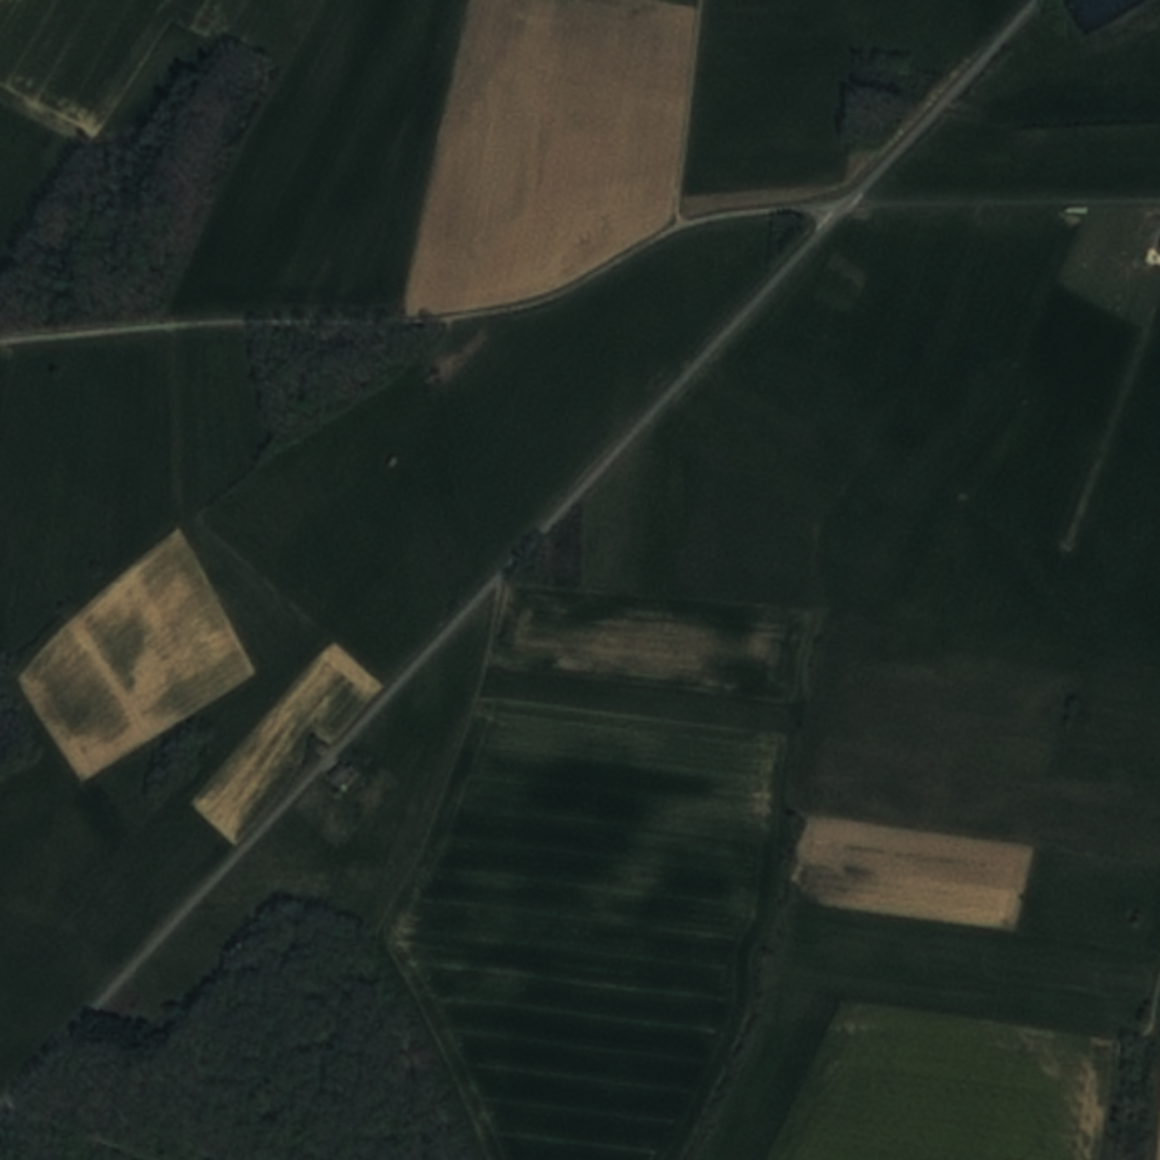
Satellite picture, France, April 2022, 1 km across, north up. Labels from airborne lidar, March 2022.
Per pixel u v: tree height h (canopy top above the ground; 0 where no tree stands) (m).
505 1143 0
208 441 0
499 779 0
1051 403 0
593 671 0
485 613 0
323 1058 30
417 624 0
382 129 0
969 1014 0
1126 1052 7
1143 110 0
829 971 0
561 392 0
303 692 0
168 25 0
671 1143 0
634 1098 0
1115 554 0
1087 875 0
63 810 0
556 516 0
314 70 0
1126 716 0
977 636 0
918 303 0
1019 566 0
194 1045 31
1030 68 0
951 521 0
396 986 16
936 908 0
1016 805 0
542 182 0
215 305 0
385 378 21
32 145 0
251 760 0
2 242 0
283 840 0
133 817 0
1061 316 0
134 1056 23
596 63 0
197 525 0
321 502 0
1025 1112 0
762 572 0
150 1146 23
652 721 0
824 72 0
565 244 0
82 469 0
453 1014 0
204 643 0
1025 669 0
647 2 0
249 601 0
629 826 0
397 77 0
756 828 0
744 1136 0
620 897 0
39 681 0
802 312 0
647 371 0
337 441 0
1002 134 0
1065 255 0
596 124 0
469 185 0
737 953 0
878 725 0
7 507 0
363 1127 29
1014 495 0
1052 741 0
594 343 0
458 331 0
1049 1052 0
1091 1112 0
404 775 0
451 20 0
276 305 0
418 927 0
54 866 0
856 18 0
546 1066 0
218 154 33
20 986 0
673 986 0
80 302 23
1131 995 0
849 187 0
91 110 0
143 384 0
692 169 0
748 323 0
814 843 0
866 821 0
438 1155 27
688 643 0
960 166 0
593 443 0
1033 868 0
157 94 0
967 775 0
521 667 0
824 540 0
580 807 0
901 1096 0
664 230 0
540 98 0
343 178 0
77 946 0
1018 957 0
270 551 0
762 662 0
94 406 0
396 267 0
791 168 0
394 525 0
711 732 0
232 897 0
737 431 0
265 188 0
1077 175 0
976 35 0
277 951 31
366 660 0
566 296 0
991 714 0
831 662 0
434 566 0
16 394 0
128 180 22
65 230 27
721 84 0
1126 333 0
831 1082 0
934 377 0
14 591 0
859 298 0
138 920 0
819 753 0
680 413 0
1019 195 0
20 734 27
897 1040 0
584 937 0
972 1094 0
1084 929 0
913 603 0
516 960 0
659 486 0
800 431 0
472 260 0
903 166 0
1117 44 0
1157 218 0
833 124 0
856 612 0
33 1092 22
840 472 0
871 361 0
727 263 0
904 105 24
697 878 0
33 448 0
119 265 24
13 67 0
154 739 0
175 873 0
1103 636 0
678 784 0
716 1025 0
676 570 0
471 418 0
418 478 0
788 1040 0
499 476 0
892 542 0
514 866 0
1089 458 0
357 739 0
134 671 0
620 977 0
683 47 0
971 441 0
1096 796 0
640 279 0
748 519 0
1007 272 0
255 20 0
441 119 0
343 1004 29
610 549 0
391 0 0
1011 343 0
